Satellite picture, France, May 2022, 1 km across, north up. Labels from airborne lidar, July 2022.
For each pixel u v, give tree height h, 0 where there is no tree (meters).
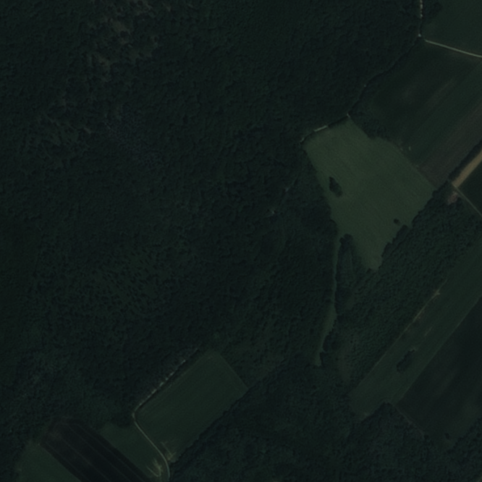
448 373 0
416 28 19
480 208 0
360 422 9
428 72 0
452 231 14
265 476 6
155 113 18
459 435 0
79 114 22
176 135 20
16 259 9
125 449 0
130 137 19
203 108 28
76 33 15
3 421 8
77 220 19
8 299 10
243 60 22
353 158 0
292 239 16
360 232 0
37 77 21
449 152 0
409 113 0
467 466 18
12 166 14
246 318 19
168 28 28
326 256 24
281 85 19
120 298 14
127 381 20
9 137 14
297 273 10
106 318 11
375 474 19
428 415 0
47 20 20
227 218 27
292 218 24
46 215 22
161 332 22
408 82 0
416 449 23
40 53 23
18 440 7
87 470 0
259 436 15
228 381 0
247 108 21
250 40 15
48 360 28
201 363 0
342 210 0
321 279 13
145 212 17
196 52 28
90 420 16
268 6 15
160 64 22
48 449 0
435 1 13
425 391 0
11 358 14
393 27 22
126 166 18
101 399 25
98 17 22
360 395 0
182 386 0
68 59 19
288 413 20
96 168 19
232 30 17
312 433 19
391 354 0
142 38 23
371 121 25
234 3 15
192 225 19
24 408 26
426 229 14
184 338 21
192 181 18
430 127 0
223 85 23
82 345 10
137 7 20
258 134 22
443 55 0
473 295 0
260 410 24
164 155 19
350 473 9
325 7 22
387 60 21
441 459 13
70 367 24
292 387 22
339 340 10
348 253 22
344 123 9
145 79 23
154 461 0
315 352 7
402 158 0
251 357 6
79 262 14
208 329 20
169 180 19
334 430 21
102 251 14
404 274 6
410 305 8
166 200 16
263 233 24
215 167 26
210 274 22
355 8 22
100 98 21
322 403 21
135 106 15
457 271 0
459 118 0
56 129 19
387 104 0
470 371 0
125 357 17
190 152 14
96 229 18
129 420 21
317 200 14
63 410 17
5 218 11
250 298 24
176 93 21
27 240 11
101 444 0
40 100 20
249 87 21
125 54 16
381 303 13
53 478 0
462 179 0
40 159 16
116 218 18
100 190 19
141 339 13
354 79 21
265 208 28
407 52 14
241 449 26
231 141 22
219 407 0
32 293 18
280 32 12
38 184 18
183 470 22
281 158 26
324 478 18
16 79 15
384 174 0
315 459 13
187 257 17
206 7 14
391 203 0
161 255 17
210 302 24
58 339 15
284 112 22
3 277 8
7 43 17
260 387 11
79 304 16
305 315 13
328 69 23
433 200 9
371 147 0
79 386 25
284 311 13
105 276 15
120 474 0
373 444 24
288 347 12
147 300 15
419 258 8
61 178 23
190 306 23
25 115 17
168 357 24
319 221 27
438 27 0
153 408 0
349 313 8
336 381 18
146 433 0
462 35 0
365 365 8
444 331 0
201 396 0
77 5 15
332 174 0
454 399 0
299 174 21
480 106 0
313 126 17
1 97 13
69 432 0
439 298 0
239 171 26
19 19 19
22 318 14
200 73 27
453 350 0
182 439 0
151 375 26
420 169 0
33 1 19
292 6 16
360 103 22
